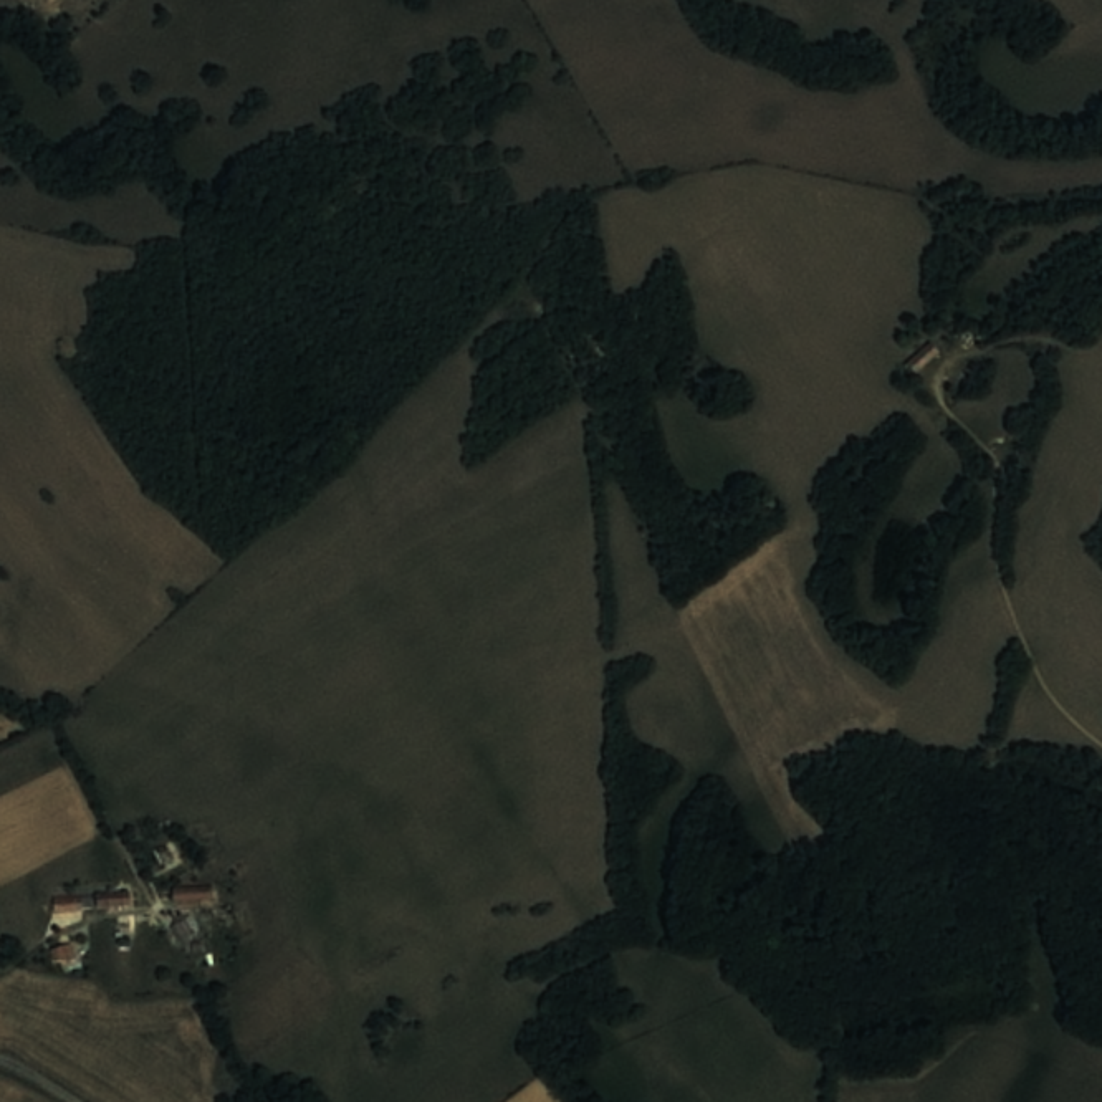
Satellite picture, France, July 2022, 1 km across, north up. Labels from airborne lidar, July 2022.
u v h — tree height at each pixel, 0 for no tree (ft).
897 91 0
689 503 48
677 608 41
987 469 21
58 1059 0
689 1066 0
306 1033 0
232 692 0
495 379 43
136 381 28
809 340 0
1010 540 46
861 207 0
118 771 0
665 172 26
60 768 0
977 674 0
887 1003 73
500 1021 0
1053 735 0
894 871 67
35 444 0
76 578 0
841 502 63
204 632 0
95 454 0
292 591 0
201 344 30
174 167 48
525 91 27
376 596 0
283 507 31
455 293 35
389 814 0
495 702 0
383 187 37
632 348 58
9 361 0
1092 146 61
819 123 0
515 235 18
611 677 18
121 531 0
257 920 0
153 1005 0
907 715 0
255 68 0
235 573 0
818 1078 0
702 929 75
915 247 0
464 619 0
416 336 29
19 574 0
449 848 0
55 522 0
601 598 24
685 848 79
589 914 0
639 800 79
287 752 0
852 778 65
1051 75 0
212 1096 0
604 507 34
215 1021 58
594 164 0
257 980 0
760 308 0
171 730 0
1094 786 64
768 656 0
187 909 0
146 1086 0
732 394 53
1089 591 0
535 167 0
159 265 36
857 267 0
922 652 43
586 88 0
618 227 0
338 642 0
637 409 73
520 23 0
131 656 0
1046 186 0
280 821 0
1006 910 74
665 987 0
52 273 0
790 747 0
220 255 42
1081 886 72
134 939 0
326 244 30
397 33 0
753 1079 0
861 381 0
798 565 0
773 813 0
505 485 0
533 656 0
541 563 0
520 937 0
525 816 0
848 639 54
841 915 81
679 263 37
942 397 0
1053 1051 0
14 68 0
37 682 0
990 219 45
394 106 39
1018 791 72
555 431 0
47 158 63
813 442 0
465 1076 0
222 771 0
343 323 41
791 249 0
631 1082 0
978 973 96
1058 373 46
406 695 0
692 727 0
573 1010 43
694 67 0
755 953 60
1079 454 0
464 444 39
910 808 70
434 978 0
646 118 0
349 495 0
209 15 0
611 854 46
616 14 0
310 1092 59
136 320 35
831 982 82
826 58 64
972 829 66
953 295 76
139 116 55
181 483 32
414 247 39
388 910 0
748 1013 0
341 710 0
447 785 0
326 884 0
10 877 0
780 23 45
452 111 19
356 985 0
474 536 0
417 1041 0
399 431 0
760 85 0
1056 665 0
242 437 44
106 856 0
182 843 21
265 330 38
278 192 52
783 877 59
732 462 0
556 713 0
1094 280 48
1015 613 0
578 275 30
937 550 62
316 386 36
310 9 0
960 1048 0
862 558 18
